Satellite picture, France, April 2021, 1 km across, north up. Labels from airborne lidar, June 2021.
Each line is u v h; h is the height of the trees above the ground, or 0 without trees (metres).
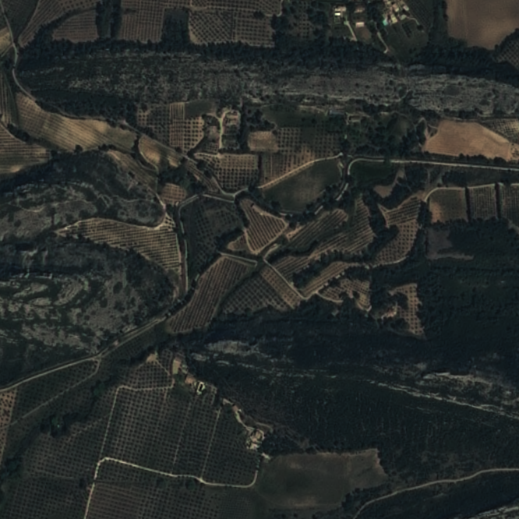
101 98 8
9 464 15
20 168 0
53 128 0
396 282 7
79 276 0
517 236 11
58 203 0
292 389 6
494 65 9
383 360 8
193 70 0
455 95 0
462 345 6
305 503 0
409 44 0
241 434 6
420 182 7
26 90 0
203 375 10
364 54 13
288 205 0
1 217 0
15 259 0
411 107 7
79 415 7
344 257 12
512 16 0
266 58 8
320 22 14
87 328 0
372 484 0
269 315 0
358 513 0
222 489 0
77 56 9
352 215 12
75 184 0
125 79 0
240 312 8
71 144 0
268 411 9
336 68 6
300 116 0
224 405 11
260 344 0
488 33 0
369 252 12
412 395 6
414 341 6
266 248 7
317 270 18
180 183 13
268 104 0
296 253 7
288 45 19
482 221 13
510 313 11
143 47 10
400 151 6
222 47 10
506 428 6
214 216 0
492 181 0
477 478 0
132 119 14
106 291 0
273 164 0
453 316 10
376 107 18
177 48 8
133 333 0
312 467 0
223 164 0
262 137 0
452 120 0
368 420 6
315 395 5
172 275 9
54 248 0
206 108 0
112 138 0
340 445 15
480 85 0
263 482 0
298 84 0
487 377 0
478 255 6
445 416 8
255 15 8
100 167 0
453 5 0
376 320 12
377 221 12
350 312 7
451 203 0
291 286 0
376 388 6
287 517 9
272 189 0
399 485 0
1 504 7
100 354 0
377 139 7
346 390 6
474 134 0
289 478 0
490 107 0
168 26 7
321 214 7
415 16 0
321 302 10
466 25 0
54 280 0
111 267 0
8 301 0
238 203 15
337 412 6
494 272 11
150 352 10
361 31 0
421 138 13
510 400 0
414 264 13
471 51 6
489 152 0
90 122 0
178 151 11
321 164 0
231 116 0
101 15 15
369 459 0
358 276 13
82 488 9
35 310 0
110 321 0
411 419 6
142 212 0
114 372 6
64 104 12
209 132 0
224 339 0
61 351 0
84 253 0
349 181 18
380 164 0
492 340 6
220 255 10
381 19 6
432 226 12
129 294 0
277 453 15
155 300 12
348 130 9
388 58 15
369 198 9
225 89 0
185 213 7
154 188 0
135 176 9
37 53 7
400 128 0
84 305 0
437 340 6
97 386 8
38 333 0
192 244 6
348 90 0
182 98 0
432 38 7
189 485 12
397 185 0
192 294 14
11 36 0
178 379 11
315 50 12
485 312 12
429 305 6
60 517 0
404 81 0
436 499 0
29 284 0
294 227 14
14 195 6
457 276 6
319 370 6
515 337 6
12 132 15
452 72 9
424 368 0
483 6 0
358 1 6
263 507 0
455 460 0
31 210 0
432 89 0
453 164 0
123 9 8
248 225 15
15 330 0
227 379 9
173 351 9
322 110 0
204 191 16
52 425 8
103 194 0
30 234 0
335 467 0
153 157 0
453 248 5
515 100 0
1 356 0
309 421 6
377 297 16
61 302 0
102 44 10
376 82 0
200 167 13
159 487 9
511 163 6
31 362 0
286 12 16
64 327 0
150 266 6
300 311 14
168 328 0
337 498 0
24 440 5
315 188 0
